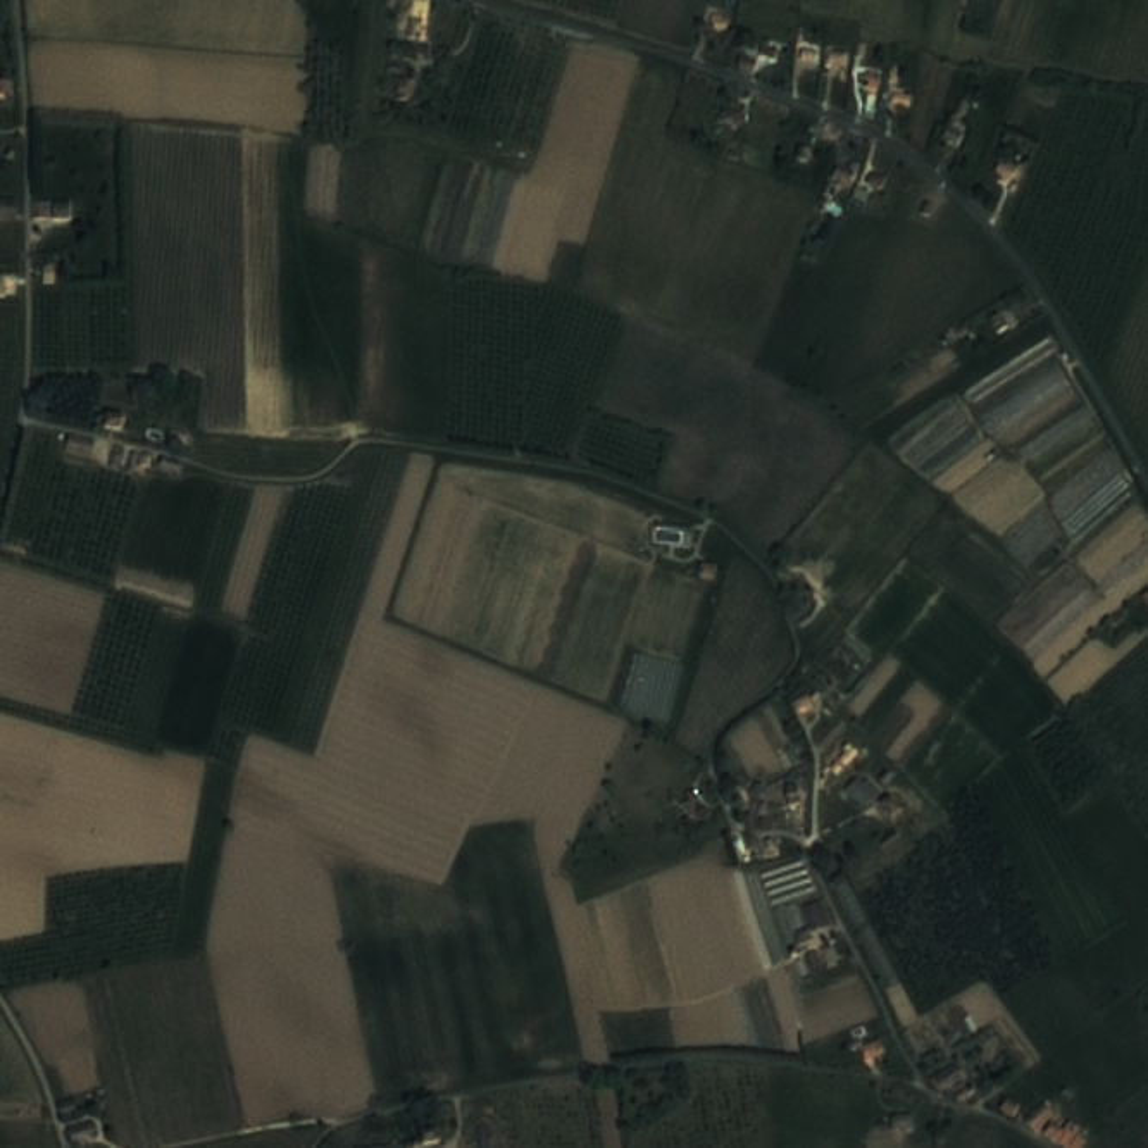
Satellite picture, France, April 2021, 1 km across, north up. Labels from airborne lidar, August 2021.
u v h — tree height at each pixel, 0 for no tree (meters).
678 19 0
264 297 0
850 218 0
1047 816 0
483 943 0
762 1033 0
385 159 0
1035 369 0
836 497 0
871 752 0
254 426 0
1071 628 0
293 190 0
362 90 0
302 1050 0
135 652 5
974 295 0
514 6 0
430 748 0
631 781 0
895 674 0
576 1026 0
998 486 0
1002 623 0
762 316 0
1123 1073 0
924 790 0
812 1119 0
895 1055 0
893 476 0
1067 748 7
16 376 0
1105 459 0
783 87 14
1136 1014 0
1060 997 0
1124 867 0
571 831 0
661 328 0
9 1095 0
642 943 0
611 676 0
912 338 0
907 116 9
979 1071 6
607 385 0
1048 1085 0
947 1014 0
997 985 7
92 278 7
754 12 0
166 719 0
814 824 0
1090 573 0
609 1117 0
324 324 0
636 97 0
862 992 0
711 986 0
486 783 0
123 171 9
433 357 0
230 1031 0
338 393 0
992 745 0
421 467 0
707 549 0
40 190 9
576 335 5
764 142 0
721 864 0
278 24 0
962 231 0
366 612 0
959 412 0
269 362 0
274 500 0
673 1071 7
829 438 0
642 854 0
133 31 0
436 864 0
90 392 9
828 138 0
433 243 0
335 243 0
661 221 0
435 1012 0
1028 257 0
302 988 0
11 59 8
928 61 0
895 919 6
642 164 0
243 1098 0
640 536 0
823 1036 0
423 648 0
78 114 10
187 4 0
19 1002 0
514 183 0
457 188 0
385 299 0
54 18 0
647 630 0
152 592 0
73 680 0
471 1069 0
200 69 0
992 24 8
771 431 0
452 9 0
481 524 0
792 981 0
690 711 0
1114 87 6
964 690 0
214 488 0
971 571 0
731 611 0
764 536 0
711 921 0
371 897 0
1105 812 0
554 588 0
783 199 0
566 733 0
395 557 0
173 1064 0
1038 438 0
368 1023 0
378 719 0
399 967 0
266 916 0
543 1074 0
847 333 0
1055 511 0
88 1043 0
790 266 0
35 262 6
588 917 0
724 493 0
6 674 0
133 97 0
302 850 0
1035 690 0
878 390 0
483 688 0
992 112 0
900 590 0
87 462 0
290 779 0
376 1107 12
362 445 0
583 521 0
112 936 6
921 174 0
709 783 6
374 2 0
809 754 7
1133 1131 0
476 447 11
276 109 0
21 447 11
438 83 11
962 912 6
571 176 0
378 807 0
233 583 0
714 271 0
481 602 0
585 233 0
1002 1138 0
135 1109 0
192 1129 0
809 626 0
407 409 0
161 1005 0
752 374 0
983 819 7
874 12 0
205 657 0
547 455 10
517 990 0
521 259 0
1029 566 0
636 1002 0
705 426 0
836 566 0
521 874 0
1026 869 0
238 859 0
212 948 0
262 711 6
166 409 14
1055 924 0
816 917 0
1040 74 7
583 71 0
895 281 0
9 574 0
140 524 0
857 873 0
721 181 0
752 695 0
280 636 6
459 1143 0
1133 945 0
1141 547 0
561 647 0
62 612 0
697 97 0
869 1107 0
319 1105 0
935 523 0
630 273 0
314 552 6
